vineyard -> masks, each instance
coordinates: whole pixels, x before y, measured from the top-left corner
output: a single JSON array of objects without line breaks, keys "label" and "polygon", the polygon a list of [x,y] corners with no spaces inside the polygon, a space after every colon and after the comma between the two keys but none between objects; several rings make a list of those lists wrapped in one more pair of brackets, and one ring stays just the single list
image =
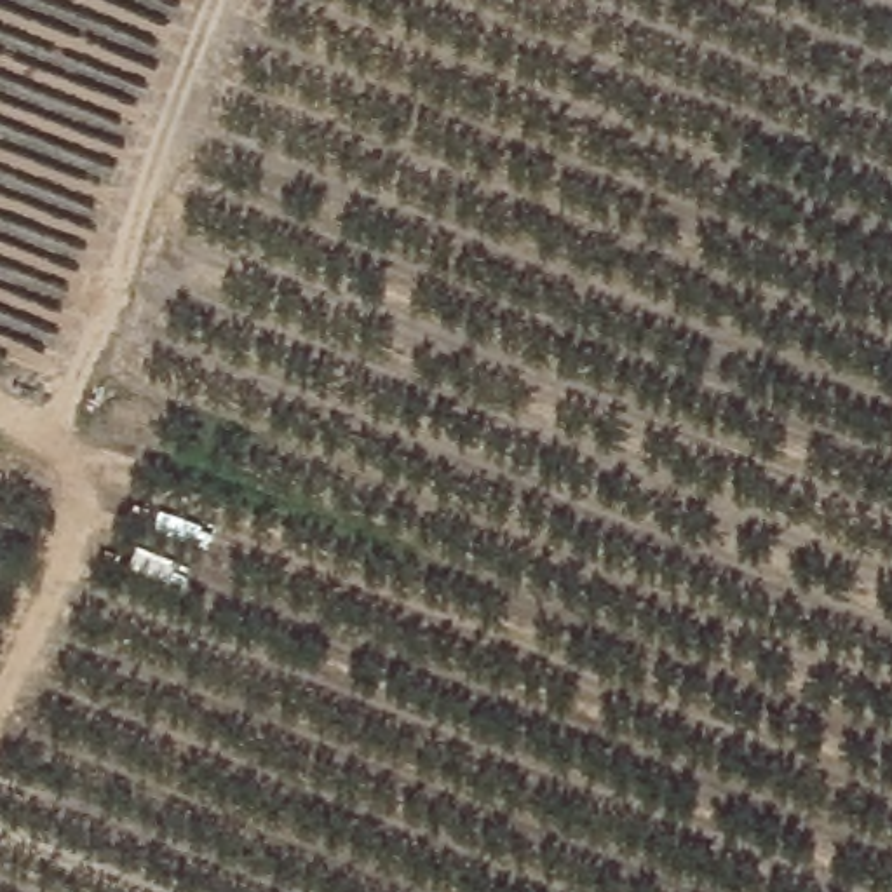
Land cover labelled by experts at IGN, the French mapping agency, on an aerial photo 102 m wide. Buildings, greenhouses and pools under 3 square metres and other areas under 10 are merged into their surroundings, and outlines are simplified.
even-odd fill
[{"label": "vineyard", "polygon": [[188,38],[188,24],[202,0],[0,0],[0,359],[17,345],[42,352],[49,335],[59,331],[56,321],[66,300],[66,279],[77,272],[80,251],[115,247],[115,233],[143,160],[143,136],[160,115],[174,63]]}]

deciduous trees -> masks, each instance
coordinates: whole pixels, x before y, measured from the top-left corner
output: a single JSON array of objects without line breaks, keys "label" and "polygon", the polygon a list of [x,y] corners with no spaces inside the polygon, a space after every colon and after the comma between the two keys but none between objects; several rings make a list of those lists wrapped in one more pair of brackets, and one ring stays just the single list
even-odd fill
[{"label": "deciduous trees", "polygon": [[826,558],[815,544],[805,544],[791,558],[794,578],[808,589],[822,585],[826,592],[850,592],[857,568],[843,558]]},{"label": "deciduous trees", "polygon": [[[794,0],[617,0],[610,14],[599,14],[592,21],[592,45],[606,49],[610,42],[624,42],[627,63],[669,73],[679,84],[700,84],[704,98],[693,101],[666,94],[662,87],[648,87],[638,77],[617,77],[613,70],[599,70],[585,56],[571,59],[568,52],[558,52],[551,45],[512,42],[512,28],[519,17],[537,31],[575,35],[585,21],[589,0],[498,0],[505,7],[502,24],[484,28],[481,17],[456,10],[460,0],[362,0],[373,17],[401,21],[404,28],[422,31],[425,38],[453,45],[456,52],[484,52],[491,63],[502,66],[509,63],[509,56],[519,56],[523,77],[537,77],[551,87],[568,84],[582,98],[613,105],[624,115],[631,115],[631,129],[617,129],[596,118],[571,118],[564,105],[554,108],[551,101],[537,98],[533,87],[509,87],[498,77],[477,77],[463,66],[443,66],[432,56],[401,52],[390,42],[376,42],[373,35],[338,28],[338,21],[331,21],[328,14],[307,14],[310,0],[265,0],[268,28],[300,45],[328,38],[328,56],[341,56],[345,63],[355,63],[369,73],[408,80],[408,94],[387,94],[380,87],[352,91],[348,77],[324,77],[317,66],[289,63],[289,52],[282,49],[258,45],[240,49],[244,80],[261,87],[289,87],[303,101],[335,105],[335,112],[328,122],[310,122],[289,115],[286,108],[261,108],[251,98],[237,94],[223,108],[220,136],[199,143],[195,150],[199,174],[223,181],[237,192],[258,192],[261,157],[254,157],[251,150],[258,139],[272,143],[275,132],[286,132],[286,153],[296,160],[338,164],[341,174],[355,174],[366,185],[387,185],[390,174],[401,174],[401,199],[422,202],[436,216],[456,216],[460,223],[488,230],[495,237],[533,237],[540,254],[568,258],[571,265],[599,275],[624,272],[634,289],[652,293],[659,300],[672,300],[672,314],[659,317],[624,307],[617,296],[575,293],[571,279],[547,275],[533,265],[516,265],[512,258],[491,254],[484,244],[460,247],[453,244],[449,230],[429,230],[425,220],[397,216],[383,209],[376,199],[362,195],[352,195],[345,202],[338,244],[328,244],[314,233],[314,216],[324,202],[324,185],[303,174],[296,174],[282,188],[282,220],[268,220],[258,209],[240,209],[223,199],[192,192],[185,195],[185,230],[206,233],[209,244],[226,247],[261,244],[265,254],[272,254],[275,261],[293,261],[314,279],[352,279],[352,289],[366,300],[376,300],[383,293],[387,310],[394,303],[411,300],[422,314],[436,314],[449,328],[467,328],[463,345],[456,352],[436,355],[432,341],[418,341],[411,355],[415,373],[408,383],[394,376],[373,376],[373,359],[383,362],[390,355],[390,314],[359,314],[352,303],[328,307],[317,296],[303,296],[293,279],[268,275],[258,261],[226,268],[223,286],[202,289],[195,300],[188,296],[188,289],[178,289],[167,300],[167,324],[174,335],[206,331],[206,345],[223,348],[237,366],[244,366],[247,348],[258,348],[261,366],[282,366],[286,380],[300,380],[300,387],[314,387],[317,394],[366,401],[373,415],[401,418],[404,425],[432,418],[432,429],[446,432],[456,443],[477,443],[491,453],[512,456],[516,467],[540,467],[540,481],[526,488],[509,484],[502,477],[488,477],[481,470],[463,474],[446,456],[429,456],[422,446],[404,446],[397,436],[383,436],[376,429],[352,429],[341,411],[324,415],[303,401],[272,397],[251,380],[237,380],[220,369],[202,369],[199,359],[185,359],[174,348],[153,345],[146,373],[150,380],[160,380],[167,387],[167,411],[157,418],[160,443],[153,453],[132,463],[129,495],[115,509],[112,540],[98,544],[98,551],[91,554],[91,571],[87,578],[80,578],[80,592],[70,606],[66,645],[45,672],[31,676],[0,732],[0,864],[10,864],[17,871],[38,871],[38,885],[59,885],[66,892],[136,892],[108,889],[94,871],[80,871],[77,864],[84,854],[94,854],[129,871],[146,871],[153,882],[164,885],[178,882],[181,892],[892,892],[892,571],[878,571],[878,603],[885,613],[875,624],[864,624],[857,613],[833,613],[822,606],[801,610],[801,603],[791,592],[767,596],[763,582],[753,582],[735,568],[707,561],[700,554],[700,540],[714,540],[718,519],[707,505],[721,491],[721,481],[732,481],[739,505],[753,502],[763,509],[781,509],[798,523],[826,530],[833,537],[847,537],[857,547],[892,554],[892,66],[868,66],[861,63],[861,49],[854,45],[815,42],[801,28],[784,28],[781,21]],[[885,105],[889,118],[882,122],[878,115],[840,112],[840,98],[815,101],[812,87],[794,87],[784,77],[746,73],[732,59],[679,45],[672,35],[645,28],[652,14],[669,10],[672,21],[686,31],[728,38],[732,45],[749,49],[756,59],[784,59],[791,70],[836,77],[840,87],[864,91],[871,101]],[[693,164],[679,150],[631,143],[631,136],[645,125],[683,132],[693,139],[711,139],[718,153],[732,150],[742,160],[728,178],[714,174],[707,164]],[[620,247],[610,233],[578,230],[575,223],[554,216],[544,206],[509,202],[502,192],[484,195],[470,181],[449,178],[443,171],[443,160],[463,160],[467,146],[474,146],[477,171],[491,174],[498,157],[512,157],[512,185],[544,188],[554,157],[568,150],[568,139],[606,164],[638,171],[652,181],[666,181],[672,192],[683,192],[700,206],[718,206],[718,220],[697,223],[704,251],[700,265],[690,268],[659,251]],[[718,317],[732,317],[742,331],[763,338],[753,355],[728,352],[721,359],[721,380],[739,383],[735,397],[711,394],[700,387],[711,341],[686,328],[693,314],[704,314],[714,324]],[[683,411],[697,425],[714,425],[721,432],[749,439],[749,453],[714,453],[711,446],[686,449],[676,439],[676,429],[648,429],[645,463],[669,467],[672,481],[666,491],[645,491],[638,477],[627,474],[627,467],[603,470],[592,460],[578,456],[578,449],[554,446],[551,436],[561,425],[564,432],[592,429],[596,443],[613,449],[624,439],[624,404],[610,401],[606,415],[599,415],[596,397],[585,397],[582,390],[564,390],[558,411],[551,404],[530,401],[533,394],[523,383],[519,369],[491,366],[474,355],[477,345],[495,331],[495,324],[502,328],[505,352],[523,352],[537,366],[544,359],[558,359],[558,373],[568,380],[617,380],[627,390],[634,390],[638,401],[648,408]],[[787,362],[781,362],[784,345],[819,352],[833,366],[871,376],[882,387],[875,397],[861,397],[836,380],[801,376]],[[634,537],[624,526],[582,519],[575,516],[575,509],[558,505],[551,498],[554,484],[596,488],[603,502],[617,502],[631,516],[655,516],[666,533],[655,544],[652,537]],[[199,547],[199,540],[192,537],[160,530],[160,512],[199,523],[213,533],[213,544]],[[136,571],[136,551],[153,551],[174,564],[185,564],[188,585],[174,585],[157,575]]]},{"label": "deciduous trees", "polygon": [[42,551],[45,537],[52,533],[56,512],[52,495],[28,481],[21,470],[0,477],[0,645],[17,603],[17,589],[42,585]]},{"label": "deciduous trees", "polygon": [[871,45],[892,49],[892,0],[801,0],[822,24],[864,31]]},{"label": "deciduous trees", "polygon": [[749,561],[770,558],[770,547],[781,537],[777,526],[746,519],[739,526],[739,554]]},{"label": "deciduous trees", "polygon": [[617,199],[620,223],[641,223],[648,237],[679,237],[676,216],[666,213],[666,202],[659,195],[645,195],[613,178],[568,167],[561,178],[561,202],[582,206],[592,216],[599,216],[606,213],[610,199]]}]

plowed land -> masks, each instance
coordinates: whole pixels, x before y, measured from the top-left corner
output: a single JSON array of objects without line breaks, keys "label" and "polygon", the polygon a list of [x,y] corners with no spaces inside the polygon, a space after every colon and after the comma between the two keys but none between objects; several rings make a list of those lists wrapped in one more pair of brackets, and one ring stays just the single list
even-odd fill
[{"label": "plowed land", "polygon": [[66,892],[59,885],[38,885],[38,871],[17,871],[10,864],[0,864],[0,892]]},{"label": "plowed land", "polygon": [[655,516],[631,516],[617,502],[603,502],[596,488],[554,484],[551,498],[558,505],[575,509],[575,516],[582,519],[624,526],[634,537],[652,537],[655,544],[666,533]]},{"label": "plowed land", "polygon": [[328,122],[335,112],[335,105],[303,101],[289,87],[261,87],[244,80],[237,94],[251,98],[261,108],[286,108],[289,115],[310,122]]},{"label": "plowed land", "polygon": [[456,10],[481,17],[484,28],[502,24],[505,7],[498,0],[460,0]]},{"label": "plowed land", "polygon": [[819,352],[784,345],[781,362],[787,362],[801,376],[836,380],[861,397],[875,397],[882,387],[871,376],[833,366]]},{"label": "plowed land", "polygon": [[707,164],[714,174],[728,178],[742,160],[732,150],[718,153],[711,139],[693,139],[683,132],[645,125],[631,136],[631,143],[679,150],[693,164]]},{"label": "plowed land", "polygon": [[153,551],[136,551],[136,571],[157,575],[174,585],[188,585],[185,564],[174,564]]},{"label": "plowed land", "polygon": [[404,28],[401,21],[373,17],[362,0],[310,0],[307,14],[328,14],[331,21],[338,21],[338,28],[373,35],[376,42],[390,42],[401,52],[432,56],[443,66],[463,66],[477,77],[498,77],[509,87],[533,87],[537,98],[551,101],[554,108],[564,105],[571,118],[596,118],[617,129],[631,129],[631,115],[624,115],[613,105],[582,98],[568,84],[551,87],[537,77],[523,77],[519,56],[509,56],[509,63],[502,66],[491,63],[484,52],[456,52],[453,45],[425,38],[422,31]]},{"label": "plowed land", "polygon": [[812,87],[815,101],[840,98],[840,112],[878,115],[882,122],[889,118],[885,105],[871,101],[864,91],[840,87],[836,77],[791,70],[784,59],[756,59],[749,49],[732,45],[728,38],[686,31],[672,21],[669,10],[652,14],[645,28],[672,35],[679,45],[732,59],[746,73],[784,77],[794,87]]},{"label": "plowed land", "polygon": [[822,24],[801,0],[794,0],[781,21],[784,28],[801,28],[815,42],[854,45],[861,49],[861,63],[868,66],[892,66],[892,49],[871,45],[864,31]]},{"label": "plowed land", "polygon": [[561,425],[551,436],[554,446],[578,449],[578,456],[592,460],[603,470],[627,467],[627,474],[638,477],[645,491],[666,491],[672,481],[669,467],[645,463],[648,429],[676,429],[676,439],[686,449],[711,446],[714,453],[749,453],[749,439],[721,432],[714,425],[697,425],[683,411],[648,408],[638,401],[634,390],[627,390],[617,380],[568,380],[558,373],[558,359],[544,359],[537,366],[523,352],[505,352],[502,328],[495,324],[495,331],[477,345],[474,355],[491,366],[519,369],[523,383],[533,394],[530,401],[551,404],[558,411],[564,390],[582,390],[585,397],[596,397],[599,415],[606,415],[610,401],[624,404],[624,439],[613,449],[596,443],[592,429],[564,432]]},{"label": "plowed land", "polygon": [[[652,181],[638,171],[606,164],[568,139],[568,150],[554,157],[544,188],[512,185],[512,157],[498,157],[491,174],[477,171],[474,146],[467,146],[463,160],[443,160],[443,171],[449,178],[470,181],[484,195],[502,192],[509,202],[544,206],[554,216],[575,223],[578,230],[610,233],[620,247],[659,251],[690,268],[700,265],[704,251],[697,223],[718,220],[718,206],[700,206],[683,192],[672,192],[666,181]],[[679,237],[648,237],[641,223],[620,223],[617,199],[610,199],[606,213],[599,216],[592,216],[582,206],[561,202],[561,178],[568,167],[613,178],[645,195],[659,195],[666,202],[666,213],[676,216]]]},{"label": "plowed land", "polygon": [[178,882],[164,885],[153,882],[146,871],[129,871],[94,854],[84,854],[77,864],[80,871],[94,871],[108,889],[136,892],[181,892]]},{"label": "plowed land", "polygon": [[352,289],[352,279],[314,279],[293,261],[275,261],[272,254],[265,254],[261,244],[226,247],[226,268],[258,261],[268,275],[293,279],[303,296],[317,296],[328,307],[352,303],[359,314],[390,314],[390,355],[383,362],[373,359],[373,376],[394,376],[408,383],[415,373],[411,355],[418,341],[432,341],[436,355],[456,352],[463,345],[467,328],[449,328],[436,314],[422,314],[411,300],[394,303],[387,310],[383,293],[376,300],[366,300]]},{"label": "plowed land", "polygon": [[446,456],[463,474],[481,470],[488,477],[502,477],[509,484],[526,488],[540,481],[540,467],[516,467],[512,456],[491,453],[477,443],[456,443],[446,432],[432,429],[432,418],[404,425],[401,418],[373,415],[366,401],[317,394],[314,387],[300,387],[300,380],[286,380],[282,366],[261,366],[258,348],[247,348],[244,366],[237,366],[223,348],[206,345],[206,331],[174,335],[167,324],[150,338],[153,345],[174,348],[185,359],[199,359],[202,369],[220,369],[237,380],[251,380],[272,397],[303,401],[324,415],[341,411],[352,429],[376,429],[383,436],[397,436],[404,446],[422,446],[429,456]]},{"label": "plowed land", "polygon": [[711,394],[735,397],[739,383],[721,380],[721,359],[728,352],[753,355],[763,338],[742,331],[732,317],[718,317],[714,324],[704,314],[693,314],[686,328],[711,341],[700,387]]},{"label": "plowed land", "polygon": [[652,293],[634,289],[624,272],[599,275],[571,265],[568,258],[540,254],[533,237],[495,237],[488,230],[460,223],[456,216],[436,216],[422,202],[401,199],[401,174],[390,174],[387,185],[366,185],[355,174],[341,174],[338,164],[296,160],[286,153],[286,132],[275,132],[272,143],[258,139],[251,150],[254,157],[261,157],[258,192],[237,192],[223,181],[199,174],[192,192],[223,199],[240,209],[258,209],[268,220],[282,220],[282,188],[296,174],[303,174],[324,185],[324,202],[314,216],[314,233],[328,244],[338,244],[345,202],[352,195],[362,195],[376,199],[383,209],[397,216],[425,220],[429,230],[449,230],[453,244],[460,247],[484,244],[491,254],[512,258],[516,265],[533,265],[547,275],[571,279],[575,293],[617,296],[624,307],[659,317],[672,314],[672,300],[659,300]]},{"label": "plowed land", "polygon": [[693,101],[704,98],[700,84],[679,84],[669,73],[627,63],[624,42],[610,42],[606,49],[592,45],[592,21],[599,14],[610,14],[617,0],[589,0],[585,21],[575,35],[537,31],[519,17],[512,28],[512,42],[551,45],[558,52],[568,52],[571,59],[585,56],[599,70],[613,70],[617,77],[638,77],[648,87],[662,87],[666,94]]},{"label": "plowed land", "polygon": [[[892,554],[857,547],[847,537],[833,537],[826,530],[798,523],[781,509],[763,509],[753,502],[739,505],[732,481],[721,481],[721,491],[707,505],[718,519],[714,540],[700,540],[700,554],[707,561],[735,568],[753,582],[763,582],[767,596],[791,592],[801,603],[801,610],[822,606],[833,613],[857,613],[864,624],[875,624],[885,613],[878,603],[878,571],[892,571]],[[770,547],[770,558],[749,561],[739,554],[739,526],[746,519],[777,526],[781,537]],[[826,592],[822,585],[808,589],[794,578],[791,558],[805,544],[815,544],[826,558],[843,558],[857,568],[850,592]]]},{"label": "plowed land", "polygon": [[300,45],[268,28],[258,45],[282,49],[289,52],[289,63],[317,66],[324,77],[348,77],[352,91],[380,87],[387,94],[408,94],[408,80],[369,73],[355,63],[345,63],[341,56],[328,56],[328,38]]},{"label": "plowed land", "polygon": [[199,523],[160,512],[160,530],[192,537],[199,540],[199,547],[213,544],[213,533]]}]

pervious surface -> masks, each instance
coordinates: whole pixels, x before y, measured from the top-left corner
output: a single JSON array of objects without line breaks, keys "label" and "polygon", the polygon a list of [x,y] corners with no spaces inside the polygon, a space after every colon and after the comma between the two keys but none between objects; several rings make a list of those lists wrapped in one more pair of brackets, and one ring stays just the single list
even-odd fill
[{"label": "pervious surface", "polygon": [[185,230],[185,195],[192,192],[199,174],[195,150],[199,143],[220,136],[223,108],[237,94],[244,80],[240,49],[258,45],[268,28],[265,0],[202,0],[188,24],[188,38],[174,63],[160,115],[143,136],[143,160],[115,233],[115,247],[80,251],[77,272],[66,279],[66,300],[56,321],[59,331],[49,335],[42,352],[17,345],[0,359],[0,477],[21,470],[28,481],[52,495],[56,512],[52,533],[45,537],[42,551],[42,585],[17,589],[17,603],[0,645],[0,732],[31,676],[45,672],[66,645],[70,606],[80,592],[80,578],[87,578],[91,571],[91,554],[98,551],[98,544],[112,540],[115,509],[129,495],[132,463],[153,453],[160,443],[157,418],[167,411],[167,387],[160,380],[150,380],[146,373],[153,345],[150,338],[167,324],[167,300],[178,289],[188,289],[188,296],[195,300],[202,289],[223,286],[226,268],[226,247],[209,244],[206,233]]}]

